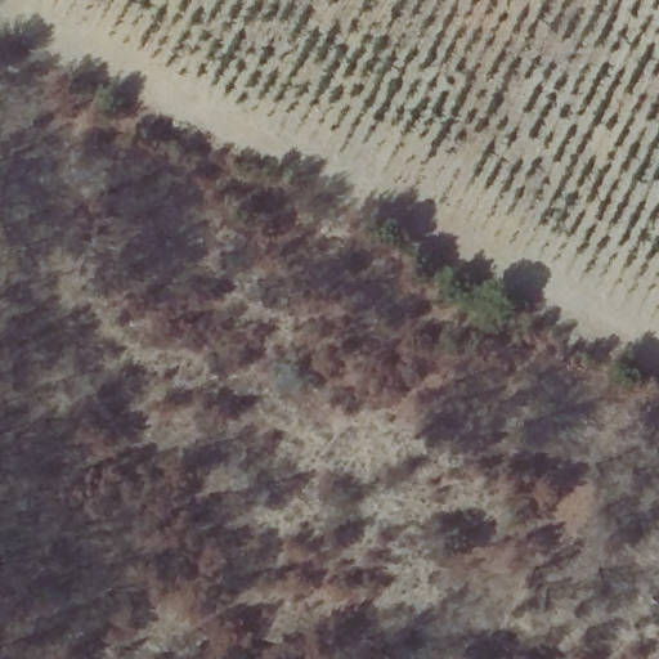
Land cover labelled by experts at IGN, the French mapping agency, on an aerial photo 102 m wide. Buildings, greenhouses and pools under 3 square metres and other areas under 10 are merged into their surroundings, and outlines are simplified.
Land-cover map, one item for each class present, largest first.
<instances>
[{"label":"coniferous trees","instance_id":"1","mask_svg":"<svg viewBox=\"0 0 659 659\"><path fill-rule=\"evenodd\" d=\"M51 26L36 15L26 23H15L13 31H5L0 26V659H659V340L654 335H644L638 342L602 337L569 342V335L577 324L559 319V306H548L543 301L535 311H515L512 301L505 296V278L492 273V263L484 255L463 260L458 255L456 237L438 234L435 229V203L420 201L414 190H404L396 198L363 201L350 193V183L345 178L322 172L324 160L301 157L299 152H288L286 157H265L252 149L239 152L232 144L211 147V134H203L198 129H178L172 126V118L154 116L142 103V75L111 77L103 62L90 57L82 59L80 67L59 64V57L49 51Z\"/></svg>","mask_w":659,"mask_h":659},{"label":"vineyard","instance_id":"2","mask_svg":"<svg viewBox=\"0 0 659 659\"><path fill-rule=\"evenodd\" d=\"M36 15L51 26L49 51L59 57V64L80 67L82 59L90 57L103 62L111 77L142 75V103L154 116L172 118V126L178 129H198L203 134H211V147L232 144L239 152L252 149L265 157H286L288 152H299L301 157L324 160L322 172L345 178L350 183V193L363 201L396 198L404 190H414L420 201L435 203V229L438 234L456 237L458 255L463 260L484 255L492 263V273L505 278V296L512 301L515 311H535L543 301L548 306H559V319L577 324L569 335V342L602 337L638 342L644 335H654L659 340V0H0V26L5 31H13L15 23H26Z\"/></svg>","mask_w":659,"mask_h":659}]
</instances>
